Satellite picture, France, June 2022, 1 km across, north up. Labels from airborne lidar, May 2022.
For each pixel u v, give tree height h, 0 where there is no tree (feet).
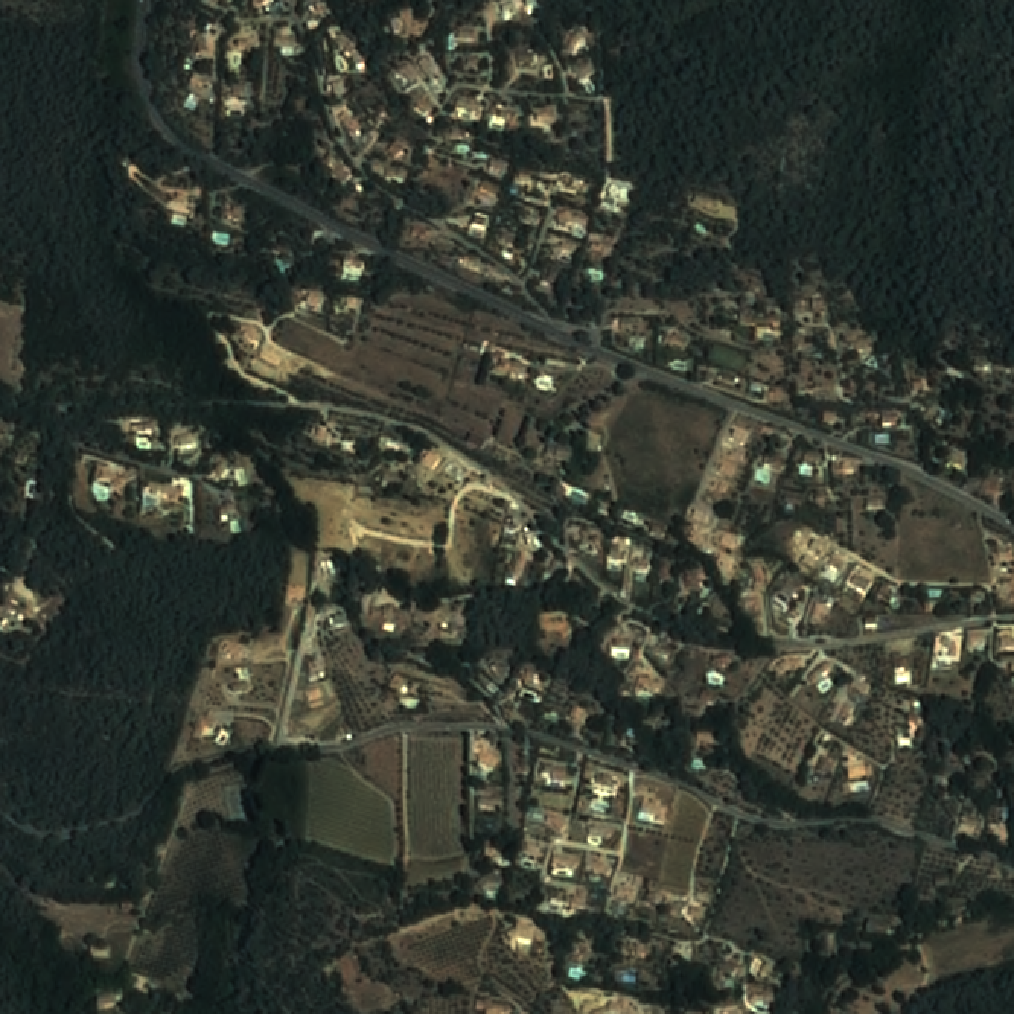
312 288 60
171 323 49
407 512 0
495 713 19
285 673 0
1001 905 46
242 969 26
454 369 0
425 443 52
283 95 22
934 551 0
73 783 48
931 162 71
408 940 0
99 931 0
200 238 29
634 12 70
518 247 46
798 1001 65
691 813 0
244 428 52
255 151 60
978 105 18
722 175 61
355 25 49
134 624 51
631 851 0
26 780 54
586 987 29
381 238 42
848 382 30
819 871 0
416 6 24
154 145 20
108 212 80
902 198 36
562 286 65
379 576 63
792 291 59
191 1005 35
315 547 25
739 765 44
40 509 73
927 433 27
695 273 66
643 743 31
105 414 54
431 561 0
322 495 0
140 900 47
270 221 22
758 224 52
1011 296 64
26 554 58
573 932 50
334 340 0
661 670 22
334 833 0
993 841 35
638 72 31
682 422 0
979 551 0
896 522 53
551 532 67
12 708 40
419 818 0
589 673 64
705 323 25
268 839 44
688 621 67
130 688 55
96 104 44
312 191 24
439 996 20
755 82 37
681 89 64
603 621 61
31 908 29
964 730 83
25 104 19
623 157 38
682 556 37
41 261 59
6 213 31
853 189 37
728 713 37
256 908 29
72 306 40
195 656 52
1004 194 68
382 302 61
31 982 40
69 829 52
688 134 52
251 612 60
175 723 35
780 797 51
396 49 56
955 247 52
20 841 29
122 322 66
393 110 20
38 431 63
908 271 72
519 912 35
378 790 0
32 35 50
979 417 40
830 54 44
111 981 51
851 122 59
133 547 57
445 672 54
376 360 0
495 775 28
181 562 67
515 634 64
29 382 30
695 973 35
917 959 19
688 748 48
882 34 49
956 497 0
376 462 22
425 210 63
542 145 61
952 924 51
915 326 67
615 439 0
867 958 60
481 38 19
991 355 26
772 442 52
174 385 20
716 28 24
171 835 39
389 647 69
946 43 66
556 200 22
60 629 56
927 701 41
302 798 0
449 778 0
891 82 58
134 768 53
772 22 51
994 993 60
